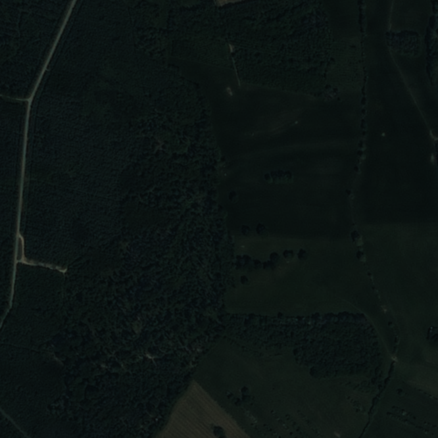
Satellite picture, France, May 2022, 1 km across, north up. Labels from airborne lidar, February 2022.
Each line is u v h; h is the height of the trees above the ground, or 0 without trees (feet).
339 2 0
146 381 49
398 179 0
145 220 65
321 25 53
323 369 43
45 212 32
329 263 0
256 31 41
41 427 24
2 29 38
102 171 40
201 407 0
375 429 0
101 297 28
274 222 0
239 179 0
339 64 0
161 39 66
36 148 34
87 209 29
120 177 44
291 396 0
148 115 25
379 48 0
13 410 27
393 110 0
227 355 0
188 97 38
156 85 30
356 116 0
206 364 0
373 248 0
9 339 31
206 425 0
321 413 0
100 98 46
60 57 25
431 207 0
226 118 0
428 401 0
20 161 28
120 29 29
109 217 37
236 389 0
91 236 28
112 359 24
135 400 87
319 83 45
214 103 0
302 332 55
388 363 0
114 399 75
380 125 0
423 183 0
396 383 0
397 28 0
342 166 0
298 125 0
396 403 0
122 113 59
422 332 0
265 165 0
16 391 29
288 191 0
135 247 82
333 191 0
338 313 0
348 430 0
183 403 0
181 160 50
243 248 0
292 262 0
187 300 47
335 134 0
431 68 63
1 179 26
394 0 0
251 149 0
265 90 0
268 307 0
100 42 26
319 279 0
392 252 0
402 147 0
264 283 0
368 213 0
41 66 36
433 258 0
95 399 64
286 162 0
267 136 0
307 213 0
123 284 60
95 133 41
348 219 0
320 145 0
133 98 42
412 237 0
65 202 28
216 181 52
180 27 60
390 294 0
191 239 25
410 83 0
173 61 0
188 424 0
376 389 19
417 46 81
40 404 31
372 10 0
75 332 32
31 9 36
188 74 0
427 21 0
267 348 24
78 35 33
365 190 0
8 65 45
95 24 29
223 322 77
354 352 57
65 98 32
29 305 24
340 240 0
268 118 0
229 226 0
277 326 43
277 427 0
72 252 30
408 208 0
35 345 31
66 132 37
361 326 54
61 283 27
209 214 103
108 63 32
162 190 42
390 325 27
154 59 24
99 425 80
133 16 31
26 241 36
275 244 0
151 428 75
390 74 0
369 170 0
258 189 0
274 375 0
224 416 0
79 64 21
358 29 0
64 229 29
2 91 70
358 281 0
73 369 73
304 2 55
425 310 0
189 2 0
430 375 0
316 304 0
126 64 27
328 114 0
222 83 0
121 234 21
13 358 27
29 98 0
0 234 29
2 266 38
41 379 18
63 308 27
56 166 29
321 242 0
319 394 0
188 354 100
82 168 36
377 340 30
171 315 79
